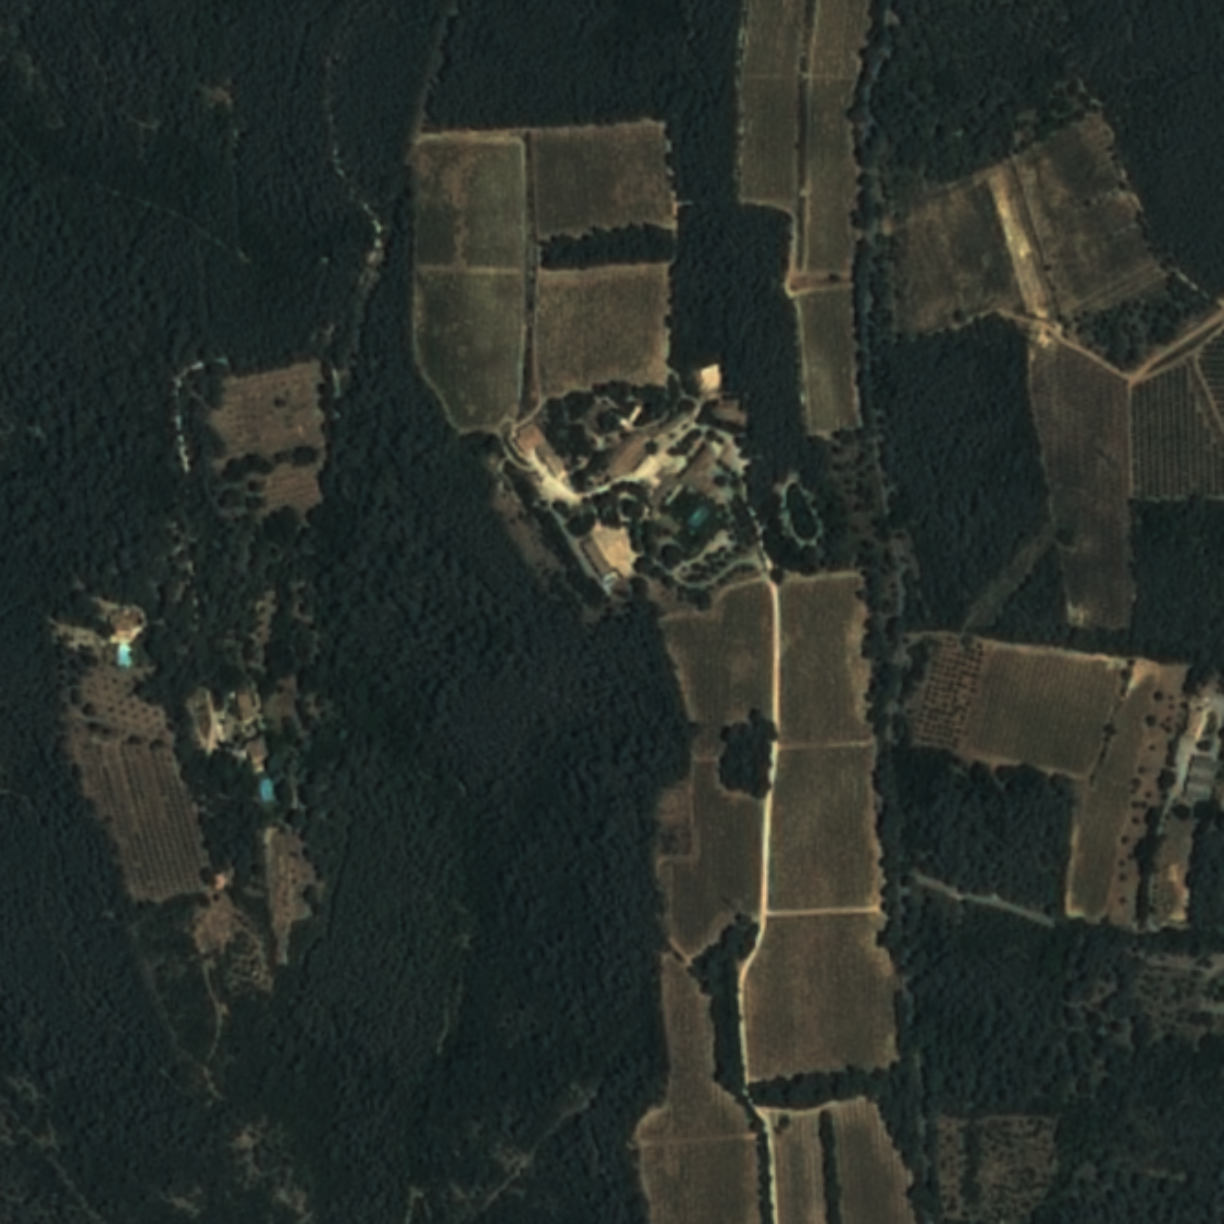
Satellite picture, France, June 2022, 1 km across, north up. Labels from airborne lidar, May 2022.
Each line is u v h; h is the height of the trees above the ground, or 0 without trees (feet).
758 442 69
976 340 26
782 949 0
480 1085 26
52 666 30
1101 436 0
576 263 56
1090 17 42
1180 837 0
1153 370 0
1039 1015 48
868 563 52
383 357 44
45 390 64
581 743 67
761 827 0
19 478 54
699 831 0
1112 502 0
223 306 49
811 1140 0
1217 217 38
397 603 67
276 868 0
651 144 0
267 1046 21
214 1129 27
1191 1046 56
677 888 0
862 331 57
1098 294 0
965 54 52
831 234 0
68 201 47
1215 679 53
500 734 55
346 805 60
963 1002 52
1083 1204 40
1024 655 0
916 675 30
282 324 50
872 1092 61
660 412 59
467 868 26
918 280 0
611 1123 47
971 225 0
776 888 0
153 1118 49
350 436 57
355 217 43
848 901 0
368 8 51
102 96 34
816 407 0
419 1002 61
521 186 0
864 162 62
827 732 0
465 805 37
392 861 47
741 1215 0
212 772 33
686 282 50
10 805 38
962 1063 53
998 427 50
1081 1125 29
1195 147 33
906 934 43
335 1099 30
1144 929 21
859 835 0
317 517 51
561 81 50
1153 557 25
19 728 49
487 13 50
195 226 51
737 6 48
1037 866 57
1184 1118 21
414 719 28
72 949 40
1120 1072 64
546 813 48
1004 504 39
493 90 48
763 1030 0
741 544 18
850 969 0
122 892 54
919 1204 54
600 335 0
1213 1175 22
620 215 0
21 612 54
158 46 44
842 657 0
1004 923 22
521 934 25
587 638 49
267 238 45
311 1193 34
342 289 51
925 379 61
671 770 50
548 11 47
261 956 0
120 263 51
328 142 50
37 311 49
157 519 65
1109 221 0
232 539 59
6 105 39
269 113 52
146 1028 54
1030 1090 74
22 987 38
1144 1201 24
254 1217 20
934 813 72
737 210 55
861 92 30
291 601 74
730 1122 0
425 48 51
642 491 26
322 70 44
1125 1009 70
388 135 49
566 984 43
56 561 37
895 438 54
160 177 22
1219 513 25
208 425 35
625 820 56
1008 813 62
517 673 40
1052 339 0
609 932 50
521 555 53
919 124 56
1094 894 0
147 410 43
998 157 45
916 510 56
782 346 51
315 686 73
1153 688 0
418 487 59
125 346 48
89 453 28
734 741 51
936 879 19
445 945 20
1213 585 35
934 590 27
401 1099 23
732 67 48
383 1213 52
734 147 42
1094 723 0
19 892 43
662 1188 0
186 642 68
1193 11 26
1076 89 30
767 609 0
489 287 0
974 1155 43
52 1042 48
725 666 0
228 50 54
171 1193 38
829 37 0
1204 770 0
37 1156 24
